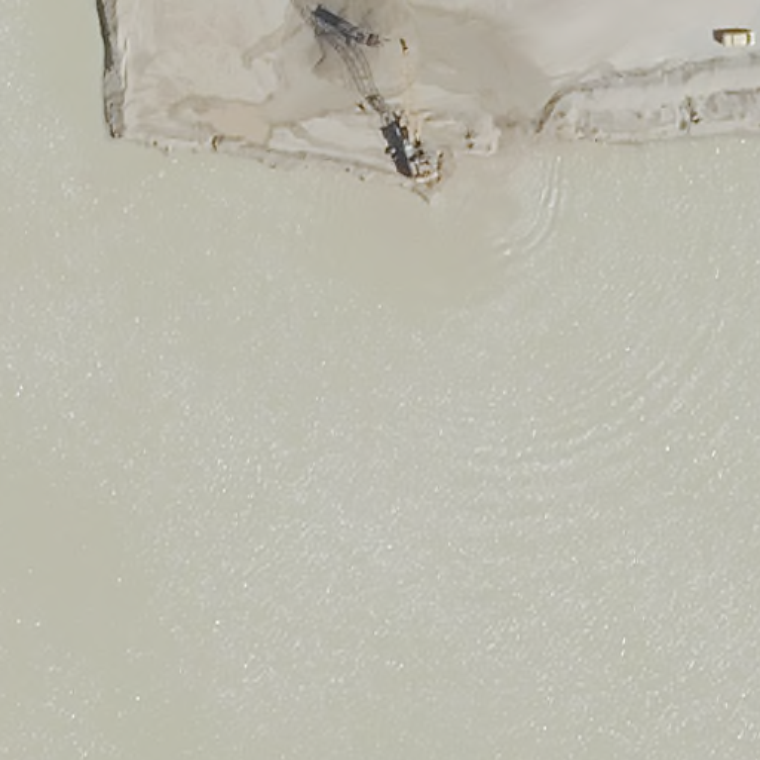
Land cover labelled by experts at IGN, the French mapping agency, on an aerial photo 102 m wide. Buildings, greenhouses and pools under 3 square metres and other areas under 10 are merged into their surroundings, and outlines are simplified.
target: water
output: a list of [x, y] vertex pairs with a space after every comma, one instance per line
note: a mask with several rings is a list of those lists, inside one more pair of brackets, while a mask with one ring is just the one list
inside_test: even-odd
[[478, 166], [460, 175], [451, 169], [445, 181], [430, 193], [430, 205], [419, 208], [407, 205], [407, 199], [398, 196], [389, 184], [371, 184], [362, 175], [333, 178], [330, 172], [309, 172], [294, 178], [282, 175], [276, 163], [264, 163], [261, 157], [238, 157], [223, 148], [181, 151], [163, 148], [157, 143], [128, 140], [125, 134], [119, 140], [110, 140], [101, 110], [104, 48], [95, 0], [0, 0], [0, 760], [760, 760], [760, 134], [727, 131], [674, 140], [579, 137], [570, 148], [552, 148], [543, 157], [523, 154], [502, 169]]

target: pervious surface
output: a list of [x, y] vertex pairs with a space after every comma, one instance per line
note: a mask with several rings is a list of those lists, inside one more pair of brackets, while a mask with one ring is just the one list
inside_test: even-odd
[[445, 181], [451, 169], [460, 175], [478, 166], [502, 169], [523, 154], [543, 157], [552, 148], [570, 148], [579, 137], [674, 140], [727, 131], [760, 134], [760, 0], [95, 0], [104, 48], [101, 110], [110, 140], [119, 140], [125, 134], [128, 140], [157, 143], [163, 148], [181, 151], [223, 148], [238, 157], [261, 157], [264, 163], [276, 163], [282, 175], [294, 178], [309, 172], [330, 172], [333, 178], [362, 175], [371, 184], [389, 184], [398, 196], [407, 199], [407, 205], [419, 208], [430, 205], [430, 193]]

